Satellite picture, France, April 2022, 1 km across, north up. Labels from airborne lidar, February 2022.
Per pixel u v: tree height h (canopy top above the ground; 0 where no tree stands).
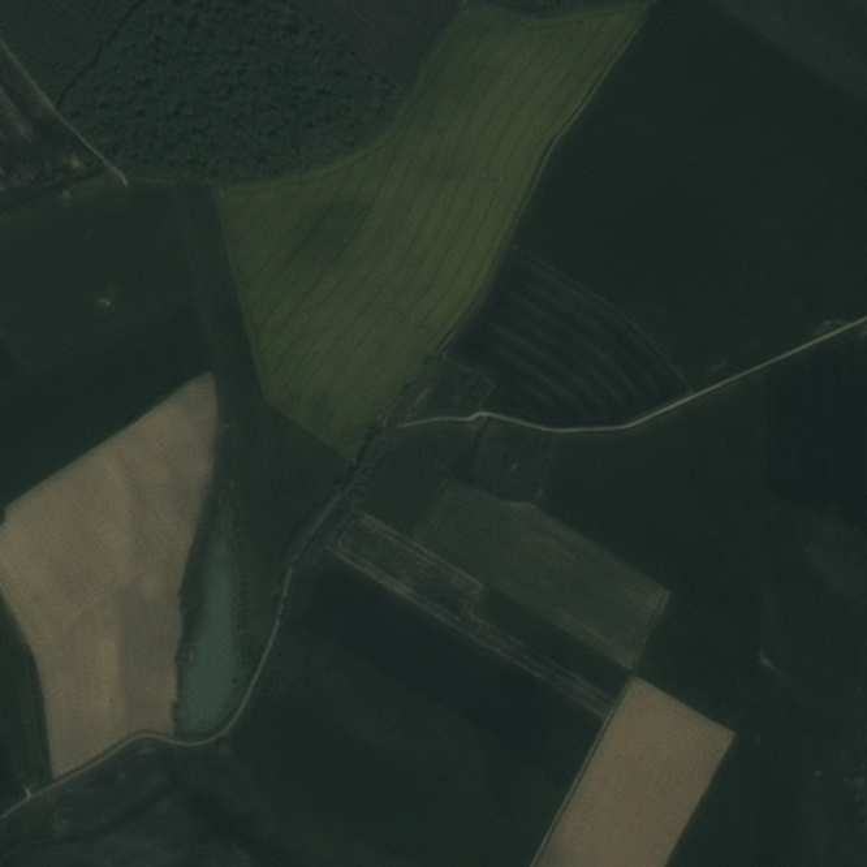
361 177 0
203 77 25
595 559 0
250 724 0
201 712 0
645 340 0
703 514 0
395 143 0
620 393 0
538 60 0
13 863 0
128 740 0
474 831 0
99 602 0
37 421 0
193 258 0
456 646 0
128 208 0
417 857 0
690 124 0
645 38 0
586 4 22
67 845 0
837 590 0
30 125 0
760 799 0
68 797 0
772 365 0
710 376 0
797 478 0
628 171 0
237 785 0
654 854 0
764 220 0
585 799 0
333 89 26
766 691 0
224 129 24
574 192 0
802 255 0
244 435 0
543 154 0
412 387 6
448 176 0
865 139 0
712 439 0
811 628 0
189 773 0
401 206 0
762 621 0
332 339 0
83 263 0
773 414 0
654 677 0
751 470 0
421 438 0
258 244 0
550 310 0
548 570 0
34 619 0
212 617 0
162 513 0
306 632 0
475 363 0
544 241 0
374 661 0
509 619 0
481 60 0
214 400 0
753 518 0
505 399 0
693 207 0
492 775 0
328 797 0
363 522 0
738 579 0
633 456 0
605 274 0
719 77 0
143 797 0
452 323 0
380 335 0
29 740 0
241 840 0
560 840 0
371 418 0
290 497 0
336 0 0
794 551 0
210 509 0
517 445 0
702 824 0
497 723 0
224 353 0
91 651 0
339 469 0
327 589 0
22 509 0
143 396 0
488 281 0
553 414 0
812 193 0
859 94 0
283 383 0
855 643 0
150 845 0
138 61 22
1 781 0
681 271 0
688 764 0
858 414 0
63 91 8
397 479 0
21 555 0
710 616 0
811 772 0
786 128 0
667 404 0
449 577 0
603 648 0
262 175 19
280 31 24
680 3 0
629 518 0
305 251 0
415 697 0
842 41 0
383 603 0
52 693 0
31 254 0
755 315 0
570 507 0
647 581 0
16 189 0
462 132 0
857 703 0
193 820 0
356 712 0
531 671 0
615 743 0
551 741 0
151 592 0
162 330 0
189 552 0
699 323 0
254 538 0
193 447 0
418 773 0
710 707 0
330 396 0
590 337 0
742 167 0
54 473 0
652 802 0
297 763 0
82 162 0
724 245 0
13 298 0
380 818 0
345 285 0
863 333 0
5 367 0
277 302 0
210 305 0
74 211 0
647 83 0
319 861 0
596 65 0
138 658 0
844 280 0
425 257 0
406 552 0
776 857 0
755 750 0
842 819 0
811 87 0
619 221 0
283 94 26
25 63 9
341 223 0
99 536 0
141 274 0
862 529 0
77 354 0
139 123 24
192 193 0
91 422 0
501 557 0
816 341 0
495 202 0
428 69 0
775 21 0
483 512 0
